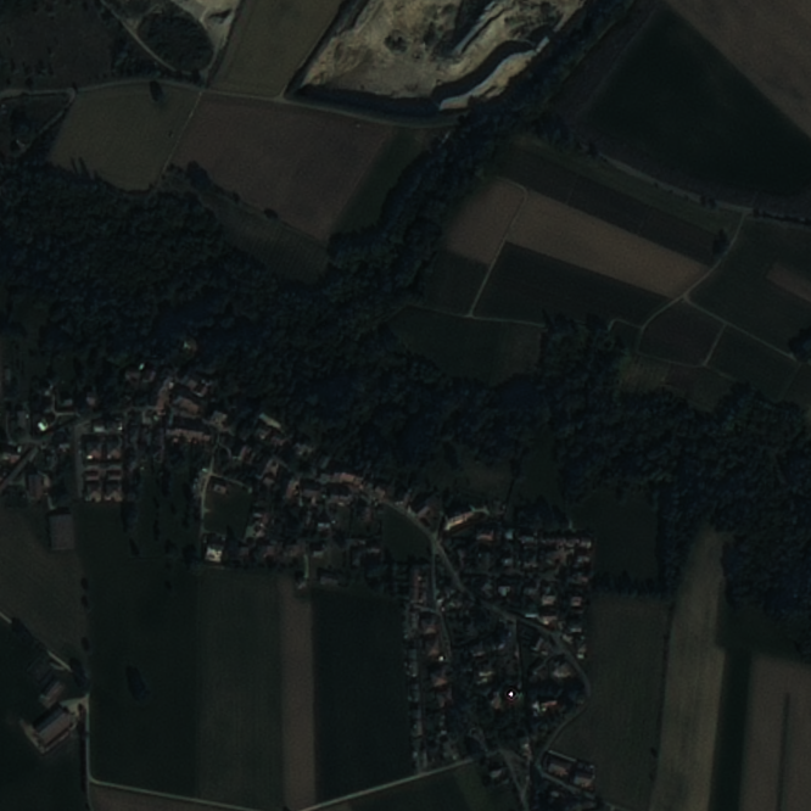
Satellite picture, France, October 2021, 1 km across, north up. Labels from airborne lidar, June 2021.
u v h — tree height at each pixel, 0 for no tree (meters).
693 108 0
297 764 0
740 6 0
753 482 20
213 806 0
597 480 7
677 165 0
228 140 0
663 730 0
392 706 0
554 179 0
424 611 0
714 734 0
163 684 0
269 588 0
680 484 16
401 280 22
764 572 22
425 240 25
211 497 0
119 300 11
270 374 25
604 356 13
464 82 0
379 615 0
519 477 13
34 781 0
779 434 28
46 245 24
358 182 0
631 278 0
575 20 0
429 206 33
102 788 0
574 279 0
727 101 0
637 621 0
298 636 0
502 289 0
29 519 0
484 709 16
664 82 0
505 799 0
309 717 0
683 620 0
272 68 0
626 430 23
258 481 9
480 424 26
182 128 0
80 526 0
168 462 10
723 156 0
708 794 0
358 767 0
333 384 12
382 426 20
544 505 0
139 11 0
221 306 24
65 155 0
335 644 0
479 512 0
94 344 22
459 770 0
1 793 0
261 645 0
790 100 0
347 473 0
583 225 0
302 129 0
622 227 0
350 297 25
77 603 0
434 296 0
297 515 0
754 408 17
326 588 0
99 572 0
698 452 25
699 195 0
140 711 0
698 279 0
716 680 0
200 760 0
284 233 0
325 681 0
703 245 0
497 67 0
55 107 0
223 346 27
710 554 0
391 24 0
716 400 0
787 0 0
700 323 0
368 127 0
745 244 0
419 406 21
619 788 0
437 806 0
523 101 22
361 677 0
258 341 27
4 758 0
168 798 0
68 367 0
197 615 0
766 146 0
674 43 0
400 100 0
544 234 0
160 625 0
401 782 0
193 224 24
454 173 25
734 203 0
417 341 0
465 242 0
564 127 0
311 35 0
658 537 0
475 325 0
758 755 0
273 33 0
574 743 0
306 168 0
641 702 0
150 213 16
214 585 0
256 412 19
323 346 25
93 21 0
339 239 0
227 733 0
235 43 0
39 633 0
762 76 0
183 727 0
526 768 6
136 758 0
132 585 0
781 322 0
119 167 0
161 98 12
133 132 0
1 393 0
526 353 0
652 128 0
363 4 0
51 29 0
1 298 0
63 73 0
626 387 0
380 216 0
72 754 0
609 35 0
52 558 0
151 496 0
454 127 0
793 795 0
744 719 0
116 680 0
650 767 0
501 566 7
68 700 0
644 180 0
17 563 0
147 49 0
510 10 0
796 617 16
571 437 24
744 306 0
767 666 0
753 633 0
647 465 23
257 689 0
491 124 27
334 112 0
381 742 0
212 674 0
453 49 0
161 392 0
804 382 0
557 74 17
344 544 15
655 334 0
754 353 0
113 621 0
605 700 0
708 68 0
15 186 10
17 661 0
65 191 15
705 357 0
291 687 0
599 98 0
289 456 12
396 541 0
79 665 0
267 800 0
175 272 17
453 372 0
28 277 8
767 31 0
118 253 16
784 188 0
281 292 18
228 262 20
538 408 29
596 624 0
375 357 27
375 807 0
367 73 0
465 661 10
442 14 0
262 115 0
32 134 11
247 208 0
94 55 0
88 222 19
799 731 0
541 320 0
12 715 0
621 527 0
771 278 0
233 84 0
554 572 0
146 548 0
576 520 0
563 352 18
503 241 0
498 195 0
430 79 0
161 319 0
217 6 0
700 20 0
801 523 13
